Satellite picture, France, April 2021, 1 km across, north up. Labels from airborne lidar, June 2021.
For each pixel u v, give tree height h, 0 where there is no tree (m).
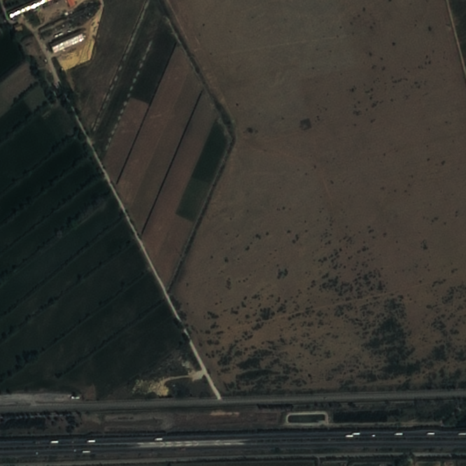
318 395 0
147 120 0
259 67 0
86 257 0
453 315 0
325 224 0
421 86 0
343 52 0
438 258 0
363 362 0
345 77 0
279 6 0
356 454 0
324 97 0
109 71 0
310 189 0
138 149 0
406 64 0
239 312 0
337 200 0
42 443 0
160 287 0
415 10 0
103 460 0
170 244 0
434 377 0
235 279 0
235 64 0
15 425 6
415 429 7
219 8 0
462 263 0
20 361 21
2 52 0
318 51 0
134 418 0
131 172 0
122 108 0
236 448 0
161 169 0
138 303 0
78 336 0
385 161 0
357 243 0
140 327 0
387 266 0
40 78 18
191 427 0
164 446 0
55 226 0
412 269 0
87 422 0
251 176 0
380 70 0
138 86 0
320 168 0
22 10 0
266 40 0
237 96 0
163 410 0
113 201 0
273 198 0
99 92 0
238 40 0
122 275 0
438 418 7
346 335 0
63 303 0
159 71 0
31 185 0
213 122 0
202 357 0
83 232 0
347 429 7
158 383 0
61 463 0
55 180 8
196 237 0
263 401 0
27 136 0
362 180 0
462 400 13
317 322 0
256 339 0
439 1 0
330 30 0
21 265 0
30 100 0
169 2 0
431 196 0
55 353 0
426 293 0
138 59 0
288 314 0
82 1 0
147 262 0
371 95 0
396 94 0
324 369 0
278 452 9
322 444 0
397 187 0
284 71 0
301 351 0
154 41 0
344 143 0
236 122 0
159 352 0
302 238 0
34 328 0
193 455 0
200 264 0
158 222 0
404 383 0
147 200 0
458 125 0
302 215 0
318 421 0
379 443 0
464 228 0
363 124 0
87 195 0
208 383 0
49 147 0
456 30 0
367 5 0
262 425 0
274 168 0
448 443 0
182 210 0
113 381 0
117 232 0
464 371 0
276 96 0
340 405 11
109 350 0
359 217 0
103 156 0
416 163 0
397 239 0
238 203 0
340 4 0
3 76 5
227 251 0
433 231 0
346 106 0
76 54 0
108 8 0
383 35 0
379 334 0
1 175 0
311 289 0
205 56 0
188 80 0
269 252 0
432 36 0
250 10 0
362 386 0
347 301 0
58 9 0
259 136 0
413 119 0
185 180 0
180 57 0
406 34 0
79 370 0
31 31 0
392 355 0
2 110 0
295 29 0
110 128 0
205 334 0
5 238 0
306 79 0
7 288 0
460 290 0
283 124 0
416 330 0
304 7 0
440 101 0
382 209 0
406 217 0
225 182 0
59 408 0
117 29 0
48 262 0
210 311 0
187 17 0
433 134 0
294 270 0
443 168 0
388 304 0
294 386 0
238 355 0
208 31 0
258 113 0
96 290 0
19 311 0
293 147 0
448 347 0
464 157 0
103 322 0
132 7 0
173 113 0
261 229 0
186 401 0
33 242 0
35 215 0
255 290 0
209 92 0
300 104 0
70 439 5
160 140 0
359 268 0
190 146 0
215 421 0
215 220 0
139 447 0
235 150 0
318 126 0
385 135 0
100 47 0
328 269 0
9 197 0
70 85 0
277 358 0
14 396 0
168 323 0
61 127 0
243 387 0
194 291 0
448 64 0
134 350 0
